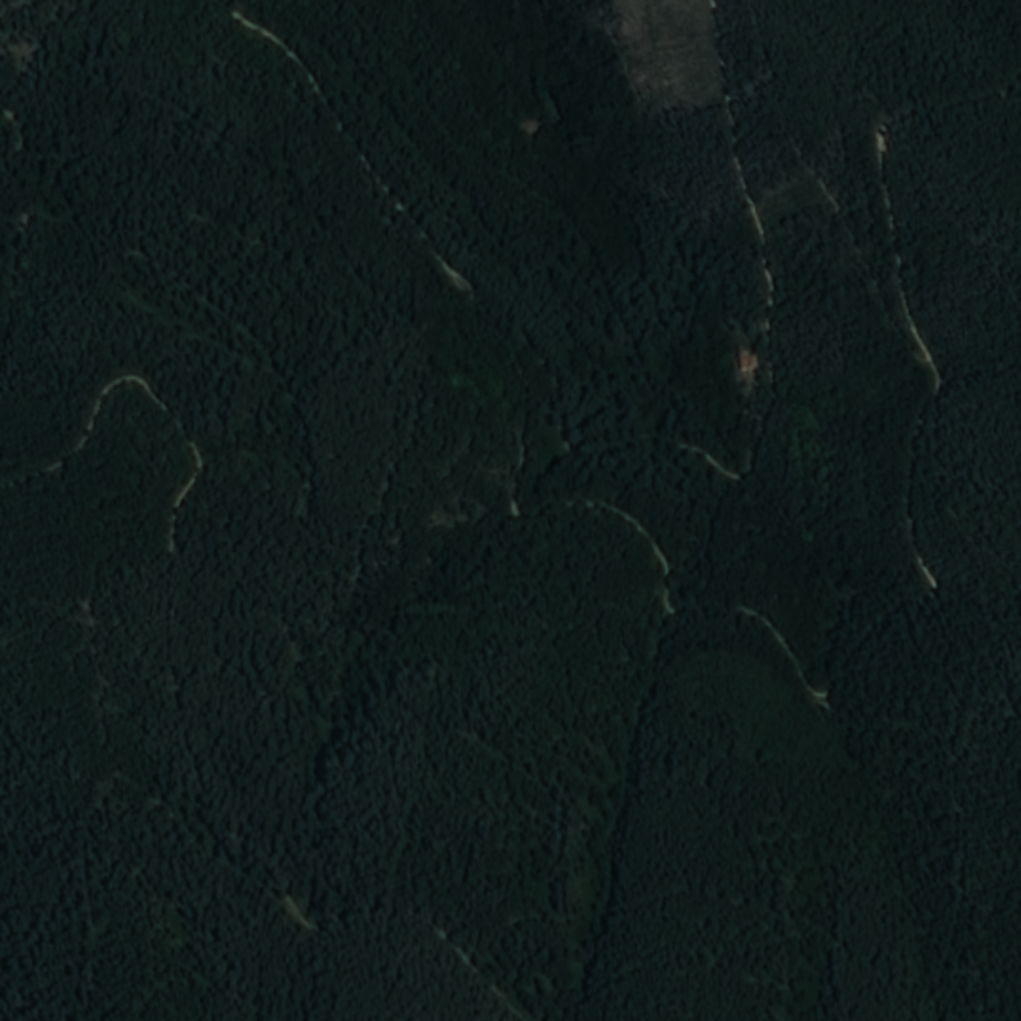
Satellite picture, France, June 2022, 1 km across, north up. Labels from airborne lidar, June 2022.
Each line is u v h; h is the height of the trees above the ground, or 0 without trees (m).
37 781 23
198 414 29
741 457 15
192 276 24
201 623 29
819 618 12
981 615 14
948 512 11
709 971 15
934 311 13
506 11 26
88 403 10
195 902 25
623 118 15
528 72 13
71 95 24
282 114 25
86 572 13
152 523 10
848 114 11
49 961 30
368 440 26
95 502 10
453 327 18
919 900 11
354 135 24
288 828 35
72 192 14
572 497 14
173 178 29
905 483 14
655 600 10
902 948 19
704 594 15
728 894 23
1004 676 12
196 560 28
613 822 13
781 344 13
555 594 13
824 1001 13
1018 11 19
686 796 14
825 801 10
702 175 13
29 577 11
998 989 9
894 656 16
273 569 25
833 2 21
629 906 19
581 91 17
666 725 15
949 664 11
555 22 10
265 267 20
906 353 13
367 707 11
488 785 14
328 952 26
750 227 11
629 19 0
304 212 28
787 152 14
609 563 17
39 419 12
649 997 16
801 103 15
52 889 27
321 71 19
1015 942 12
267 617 28
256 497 15
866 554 19
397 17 10
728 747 10
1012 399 16
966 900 15
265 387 17
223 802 35
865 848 11
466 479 18
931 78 12
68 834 25
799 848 26
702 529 15
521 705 11
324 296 26
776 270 8
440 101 12
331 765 32
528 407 13
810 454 11
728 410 8
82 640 7
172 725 24
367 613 24
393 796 27
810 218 12
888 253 11
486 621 8
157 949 10
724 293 22
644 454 26
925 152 11
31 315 8
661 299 27
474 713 19
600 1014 16
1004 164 11
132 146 28
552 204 7
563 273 7
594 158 24
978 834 10
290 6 8
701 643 14
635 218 22
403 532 28
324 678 20
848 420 15
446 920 14
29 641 11
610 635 13
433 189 8
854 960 21
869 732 9
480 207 14
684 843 18
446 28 23
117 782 8
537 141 16
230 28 9
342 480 25
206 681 28
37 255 15
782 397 15
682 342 18
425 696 23
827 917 12
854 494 15
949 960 9
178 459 9
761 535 12
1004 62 16
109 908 10
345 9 21
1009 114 15
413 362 31
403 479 26
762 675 6
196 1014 10
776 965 23
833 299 10
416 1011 24
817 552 19
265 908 28
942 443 17
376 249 26
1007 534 17
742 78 15
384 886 25
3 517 7
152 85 27
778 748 8
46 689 10
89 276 11
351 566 26
